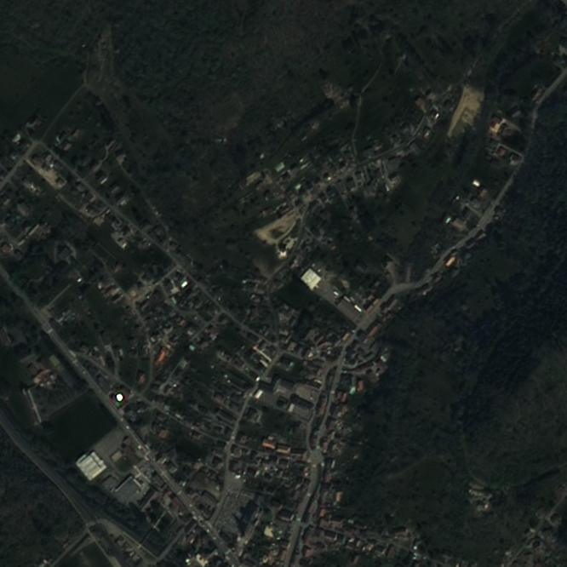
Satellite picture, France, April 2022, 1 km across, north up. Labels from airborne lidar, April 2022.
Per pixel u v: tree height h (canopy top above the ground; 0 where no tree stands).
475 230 0
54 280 8
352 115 0
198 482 0
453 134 0
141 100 17
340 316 0
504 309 8
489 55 18
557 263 18
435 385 0
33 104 0
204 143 9
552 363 20
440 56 9
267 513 13
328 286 0
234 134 13
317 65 13
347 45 25
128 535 0
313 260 9
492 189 0
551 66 0
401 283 0
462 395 17
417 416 9
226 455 0
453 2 20
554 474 14
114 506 16
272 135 9
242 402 0
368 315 0
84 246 15
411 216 0
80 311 0
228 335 0
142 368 0
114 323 0
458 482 15
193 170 11
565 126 14
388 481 0
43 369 0
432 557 17
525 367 22
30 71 0
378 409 15
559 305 18
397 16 15
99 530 10
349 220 10
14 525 13
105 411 14
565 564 6
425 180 0
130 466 0
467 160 22
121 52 8
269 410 14
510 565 0
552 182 13
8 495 12
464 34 15
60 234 17
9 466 15
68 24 18
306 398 0
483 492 7
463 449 9
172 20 17
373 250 0
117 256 0
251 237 8
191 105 11
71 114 7
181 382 8
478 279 0
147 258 0
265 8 15
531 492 20
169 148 0
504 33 21
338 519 0
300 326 11
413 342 10
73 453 0
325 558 8
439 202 13
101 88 0
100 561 0
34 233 0
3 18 14
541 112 13
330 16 17
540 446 13
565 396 19
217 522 0
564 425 6
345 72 0
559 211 16
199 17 14
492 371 24
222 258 0
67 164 0
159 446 7
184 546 0
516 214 10
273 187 0
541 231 16
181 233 17
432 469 0
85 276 11
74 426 0
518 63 7
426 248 25
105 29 0
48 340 18
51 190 0
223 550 0
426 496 0
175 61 16
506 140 7
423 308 14
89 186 0
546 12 29
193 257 0
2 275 0
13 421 0
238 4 0
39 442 18
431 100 0
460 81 0
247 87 8
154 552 0
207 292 0
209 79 11
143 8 8
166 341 0
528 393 24
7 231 0
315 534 0
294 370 0
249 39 15
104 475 0
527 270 14
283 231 0
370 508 10
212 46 13
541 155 18
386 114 0
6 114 0
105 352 0
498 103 11
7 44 13
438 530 5
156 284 0
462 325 16
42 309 0
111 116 9
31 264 17
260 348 6
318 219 7
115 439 0
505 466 8
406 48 18
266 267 0
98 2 19
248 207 14
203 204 0
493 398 14
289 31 24
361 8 7
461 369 10
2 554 8
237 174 17
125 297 0
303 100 14
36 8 14
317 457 0
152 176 15
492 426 12
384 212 14
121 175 0
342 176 0
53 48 15
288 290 0
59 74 0
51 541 14
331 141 8
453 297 5
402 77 0
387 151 0
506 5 26
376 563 7
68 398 17
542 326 21
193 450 0
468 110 0
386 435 14
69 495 0
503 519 10
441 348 7
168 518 0
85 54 13
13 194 8
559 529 0
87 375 0
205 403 0
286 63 20
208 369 0
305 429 0
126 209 0
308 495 0
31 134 16
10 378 0
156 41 9
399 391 21
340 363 0
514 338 17
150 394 0
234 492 0
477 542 10
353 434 0
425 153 0
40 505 6
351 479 10
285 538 8
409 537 7
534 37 19
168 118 16
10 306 21
